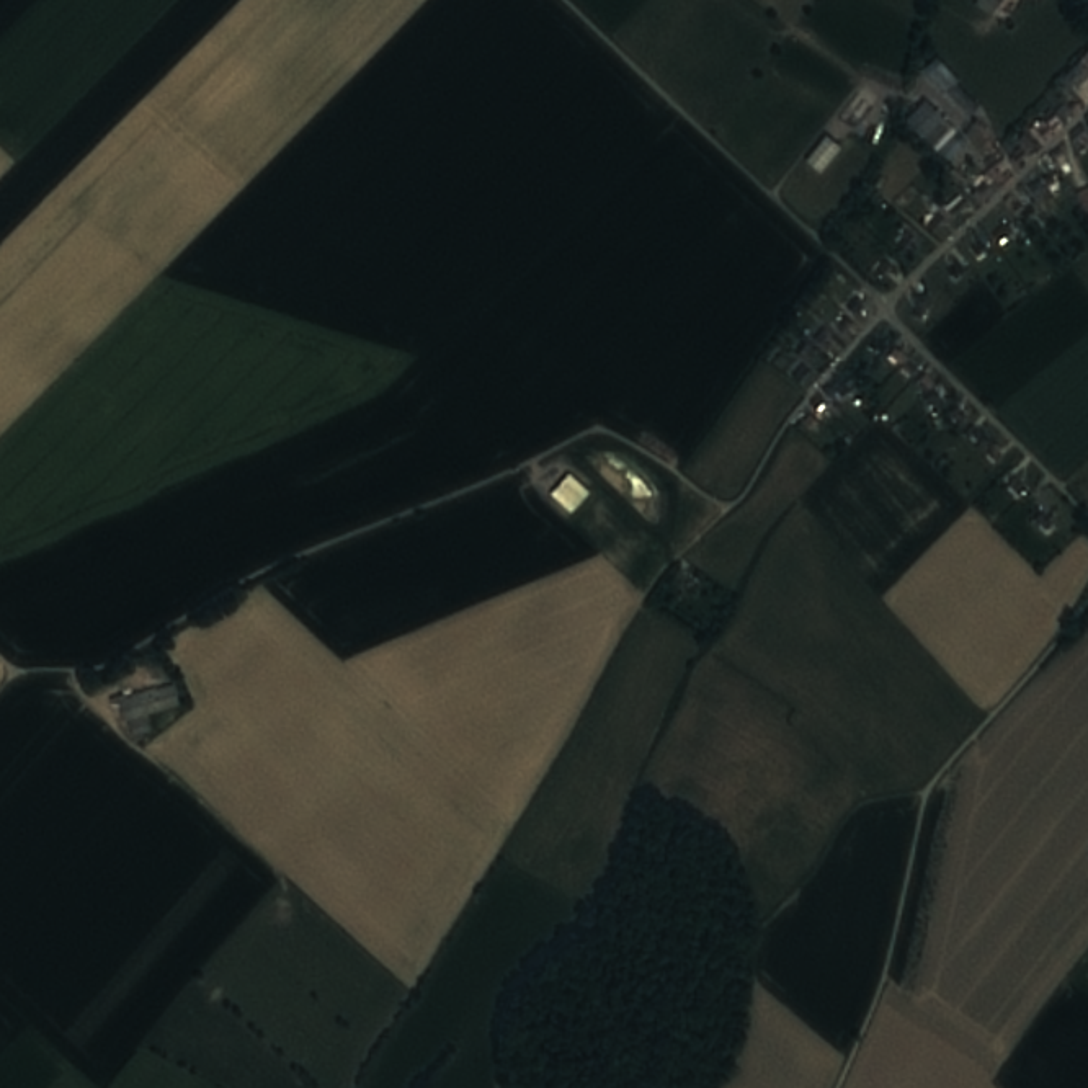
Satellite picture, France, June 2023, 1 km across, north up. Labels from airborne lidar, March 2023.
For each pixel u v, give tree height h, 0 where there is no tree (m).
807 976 0
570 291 0
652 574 0
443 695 0
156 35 0
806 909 0
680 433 0
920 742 0
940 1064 0
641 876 23
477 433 0
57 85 0
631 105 0
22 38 0
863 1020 0
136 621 0
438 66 0
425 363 0
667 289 0
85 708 0
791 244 0
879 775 0
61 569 0
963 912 0
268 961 0
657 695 0
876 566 0
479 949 0
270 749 0
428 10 0
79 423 0
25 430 0
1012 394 0
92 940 0
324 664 0
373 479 0
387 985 0
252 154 0
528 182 0
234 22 0
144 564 0
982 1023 0
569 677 0
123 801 0
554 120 0
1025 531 0
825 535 0
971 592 0
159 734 0
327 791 0
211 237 0
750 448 0
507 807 0
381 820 0
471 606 0
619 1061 27
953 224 0
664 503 0
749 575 0
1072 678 0
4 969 0
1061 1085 0
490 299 0
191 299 0
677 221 0
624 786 0
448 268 0
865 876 0
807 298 10
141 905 0
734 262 0
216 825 0
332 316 0
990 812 0
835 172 0
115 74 0
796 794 0
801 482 0
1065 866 0
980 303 0
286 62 0
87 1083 0
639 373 0
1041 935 0
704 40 0
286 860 0
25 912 0
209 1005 0
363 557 0
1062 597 0
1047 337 0
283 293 0
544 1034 27
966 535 0
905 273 8
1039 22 0
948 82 0
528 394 0
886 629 0
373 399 0
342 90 0
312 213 0
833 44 0
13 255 0
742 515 0
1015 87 0
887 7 0
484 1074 0
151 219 0
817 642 0
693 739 0
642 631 0
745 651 0
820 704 0
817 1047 0
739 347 0
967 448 0
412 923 0
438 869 0
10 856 0
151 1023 0
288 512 0
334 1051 0
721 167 0
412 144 0
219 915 0
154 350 0
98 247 0
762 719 0
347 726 0
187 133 0
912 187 0
